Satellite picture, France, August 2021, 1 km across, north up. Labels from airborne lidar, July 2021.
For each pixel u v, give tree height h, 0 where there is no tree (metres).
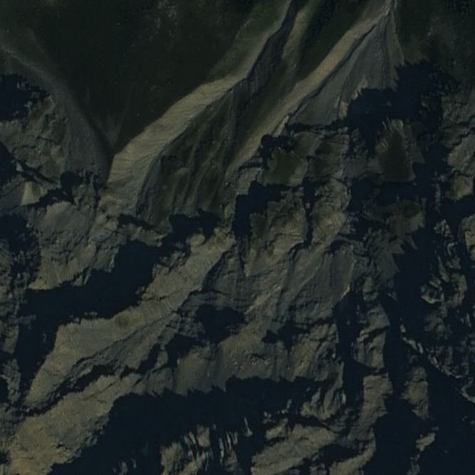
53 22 0
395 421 0
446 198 0
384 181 0
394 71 0
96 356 0
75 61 0
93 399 0
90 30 0
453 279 0
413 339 0
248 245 0
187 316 0
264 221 0
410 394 0
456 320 0
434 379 0
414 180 0
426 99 11
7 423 0
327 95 0
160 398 0
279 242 0
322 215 0
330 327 0
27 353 0
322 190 0
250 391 0
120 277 0
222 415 0
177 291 0
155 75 0
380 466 0
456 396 0
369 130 0
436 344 0
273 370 0
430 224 0
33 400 0
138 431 0
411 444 0
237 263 0
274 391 0
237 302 0
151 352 0
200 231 0
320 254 0
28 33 0
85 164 0
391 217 0
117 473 0
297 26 0
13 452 0
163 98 0
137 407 0
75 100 0
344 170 0
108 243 0
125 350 0
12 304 0
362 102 0
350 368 0
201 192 0
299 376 0
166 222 0
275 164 0
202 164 0
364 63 0
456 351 0
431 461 0
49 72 0
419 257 0
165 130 0
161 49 0
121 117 0
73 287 0
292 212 0
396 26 0
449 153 0
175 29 0
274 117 0
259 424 0
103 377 0
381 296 0
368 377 0
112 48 0
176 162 0
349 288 0
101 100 0
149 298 0
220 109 0
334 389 0
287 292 0
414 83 0
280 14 0
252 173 0
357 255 0
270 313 0
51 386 0
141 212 0
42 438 0
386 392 0
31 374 0
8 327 0
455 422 0
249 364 0
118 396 0
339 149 0
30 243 0
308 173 0
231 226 0
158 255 0
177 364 0
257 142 0
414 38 0
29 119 0
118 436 0
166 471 0
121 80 0
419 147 0
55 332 0
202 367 0
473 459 0
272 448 0
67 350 0
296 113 0
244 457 0
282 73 0
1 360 0
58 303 0
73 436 0
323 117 0
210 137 0
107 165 0
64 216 0
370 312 0
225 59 0
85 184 0
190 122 0
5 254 0
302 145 0
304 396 0
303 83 0
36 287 0
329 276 0
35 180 0
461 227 0
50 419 0
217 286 0
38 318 0
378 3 0
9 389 0
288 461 0
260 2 7
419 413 0
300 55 0
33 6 0
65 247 0
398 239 0
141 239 0
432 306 0
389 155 0
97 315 0
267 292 0
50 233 0
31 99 0
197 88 0
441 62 0
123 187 0
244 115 0
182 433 0
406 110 0
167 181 0
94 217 0
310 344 0
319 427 0
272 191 0
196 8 0
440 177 0
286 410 0
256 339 0
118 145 0
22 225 0
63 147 0
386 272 0
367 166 0
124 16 0
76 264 0
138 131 0
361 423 0
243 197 0
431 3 0
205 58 0
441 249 0
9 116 0
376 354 0
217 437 0
